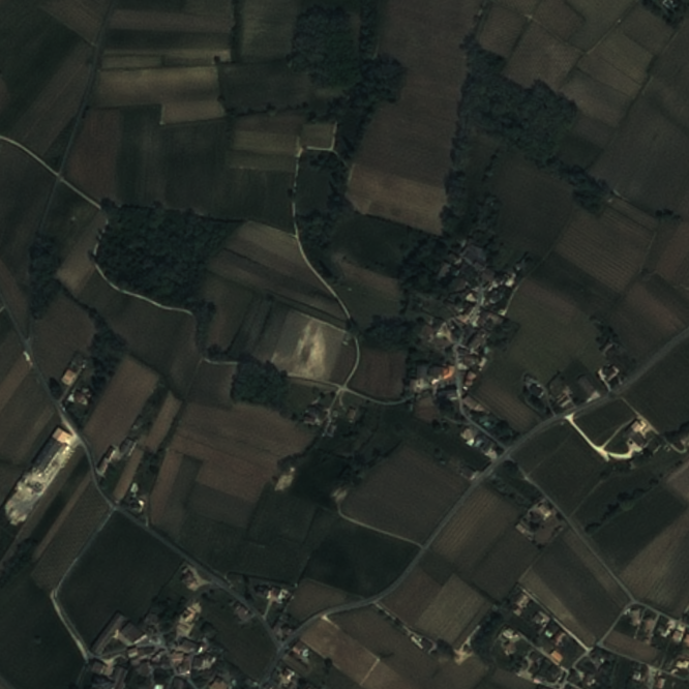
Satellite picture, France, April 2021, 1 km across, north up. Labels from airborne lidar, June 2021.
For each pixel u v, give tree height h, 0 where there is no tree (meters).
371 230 0
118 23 0
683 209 0
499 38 0
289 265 0
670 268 0
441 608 0
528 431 0
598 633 0
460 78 0
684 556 0
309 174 0
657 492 0
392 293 0
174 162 0
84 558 0
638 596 0
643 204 0
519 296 0
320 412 17
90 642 0
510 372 0
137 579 0
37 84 0
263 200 0
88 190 0
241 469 0
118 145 0
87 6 0
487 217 7
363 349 0
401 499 0
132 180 0
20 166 0
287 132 0
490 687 0
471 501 0
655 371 0
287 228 0
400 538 0
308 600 0
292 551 0
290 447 0
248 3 0
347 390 0
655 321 0
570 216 0
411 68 0
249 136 0
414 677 0
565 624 0
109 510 0
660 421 0
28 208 0
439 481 0
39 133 0
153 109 0
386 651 0
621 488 0
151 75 0
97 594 0
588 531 8
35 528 0
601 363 0
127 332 0
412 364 7
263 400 22
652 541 0
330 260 0
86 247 0
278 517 0
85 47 0
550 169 12
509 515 0
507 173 0
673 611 0
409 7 0
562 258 0
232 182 0
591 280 0
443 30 0
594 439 0
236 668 11
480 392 0
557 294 0
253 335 0
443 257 7
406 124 0
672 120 0
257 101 0
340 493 0
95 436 0
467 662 0
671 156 0
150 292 12
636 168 0
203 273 13
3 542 0
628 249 0
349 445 0
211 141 0
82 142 0
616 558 0
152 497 0
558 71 0
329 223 17
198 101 0
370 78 21
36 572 0
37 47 0
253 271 0
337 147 5
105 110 0
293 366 0
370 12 7
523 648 0
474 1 0
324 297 0
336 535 0
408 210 0
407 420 0
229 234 6
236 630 0
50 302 15
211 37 0
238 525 0
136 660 0
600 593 0
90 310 7
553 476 0
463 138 15
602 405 0
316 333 0
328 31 19
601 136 0
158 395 0
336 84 20
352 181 0
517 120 10
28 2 0
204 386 0
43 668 0
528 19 0
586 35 0
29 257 0
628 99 0
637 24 0
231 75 0
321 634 0
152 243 18
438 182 0
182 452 0
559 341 0
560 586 0
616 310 0
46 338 0
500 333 13
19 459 0
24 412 0
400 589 0
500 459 0
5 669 0
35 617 0
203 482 0
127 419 0
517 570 0
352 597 0
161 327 0
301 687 8
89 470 0
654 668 0
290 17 0
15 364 0
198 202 0
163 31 0
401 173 0
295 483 0
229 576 0
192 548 0
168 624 7
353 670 0
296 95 0
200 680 10
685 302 0
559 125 22
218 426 0
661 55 0
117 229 8
